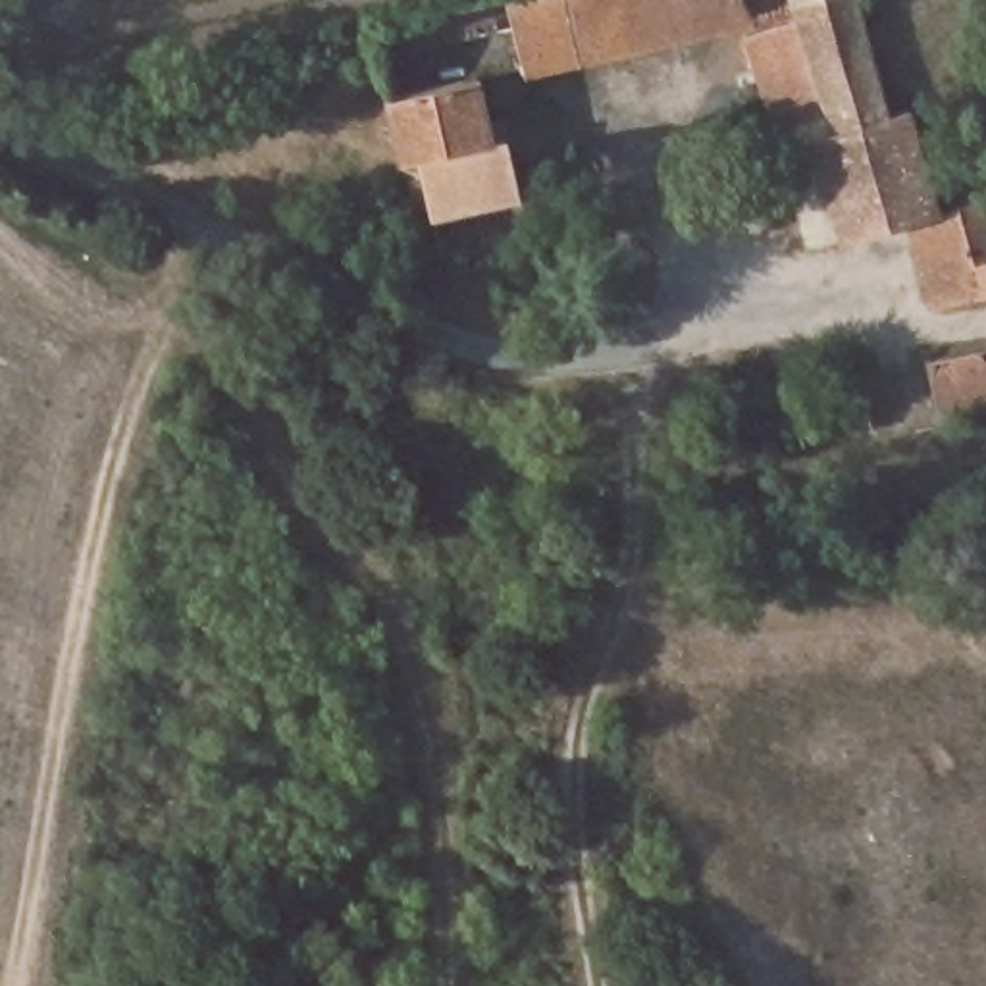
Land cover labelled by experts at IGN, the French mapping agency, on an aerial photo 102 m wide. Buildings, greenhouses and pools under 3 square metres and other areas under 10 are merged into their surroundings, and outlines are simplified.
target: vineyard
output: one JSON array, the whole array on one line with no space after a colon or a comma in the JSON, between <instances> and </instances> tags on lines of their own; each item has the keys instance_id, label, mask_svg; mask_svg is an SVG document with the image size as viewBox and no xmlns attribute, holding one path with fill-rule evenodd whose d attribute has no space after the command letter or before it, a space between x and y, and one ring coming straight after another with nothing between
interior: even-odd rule
<instances>
[{"instance_id":1,"label":"vineyard","mask_svg":"<svg viewBox=\"0 0 986 986\"><path fill-rule=\"evenodd\" d=\"M216 35L235 31L243 23L266 23L266 31L277 39L285 54L304 54L308 35L327 23L324 8L354 8L381 0L0 0L0 73L15 69L65 85L127 85L127 58L139 46L162 39L162 31L185 35L193 42L212 42Z\"/></svg>"}]
</instances>

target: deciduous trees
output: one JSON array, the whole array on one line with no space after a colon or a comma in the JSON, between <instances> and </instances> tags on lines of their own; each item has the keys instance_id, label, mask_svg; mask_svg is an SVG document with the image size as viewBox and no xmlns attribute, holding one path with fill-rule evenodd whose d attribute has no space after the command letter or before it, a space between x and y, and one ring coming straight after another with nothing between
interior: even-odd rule
<instances>
[{"instance_id":1,"label":"deciduous trees","mask_svg":"<svg viewBox=\"0 0 986 986\"><path fill-rule=\"evenodd\" d=\"M932 89L917 96L905 116L913 119L921 139L917 189L936 193L936 212L944 220L963 220L971 258L986 262L986 0L913 0L913 27L921 54L932 69Z\"/></svg>"},{"instance_id":2,"label":"deciduous trees","mask_svg":"<svg viewBox=\"0 0 986 986\"><path fill-rule=\"evenodd\" d=\"M678 239L693 243L709 231L720 231L724 239L747 235L751 220L790 227L797 223L801 208L820 208L832 204L843 189L836 127L817 104L763 100L751 89L743 100L728 108L697 112L686 123L666 123L670 139L662 143L655 162L662 216L670 220Z\"/></svg>"},{"instance_id":3,"label":"deciduous trees","mask_svg":"<svg viewBox=\"0 0 986 986\"><path fill-rule=\"evenodd\" d=\"M470 69L443 69L439 85L481 85L489 73L516 73L512 39L505 27L497 19L478 19L466 23L466 39L485 42L485 54Z\"/></svg>"},{"instance_id":4,"label":"deciduous trees","mask_svg":"<svg viewBox=\"0 0 986 986\"><path fill-rule=\"evenodd\" d=\"M520 208L470 216L454 223L431 223L420 185L393 166L358 169L347 177L270 169L266 177L166 181L154 173L158 162L216 158L247 150L258 139L293 131L300 123L297 100L304 85L327 73L339 77L343 62L358 54L354 8L324 8L327 23L308 35L304 54L285 54L277 39L266 31L266 23L243 23L235 31L216 35L212 42L193 42L185 35L162 31L162 39L139 46L127 58L127 85L65 85L15 69L0 73L0 223L31 247L54 254L65 270L89 277L96 289L104 289L108 300L127 304L139 297L146 308L169 316L181 327L173 358L166 362L166 377L150 393L150 404L131 443L131 462L116 493L108 558L92 605L81 693L73 709L69 759L50 847L50 901L42 932L50 936L54 978L46 986L243 986L250 971L250 944L258 936L273 936L273 924L258 917L262 867L281 867L297 886L308 882L320 894L320 905L343 913L343 921L331 932L308 928L289 947L289 959L312 967L320 986L582 986L582 971L566 955L566 882L582 882L582 851L593 851L597 886L605 890L605 909L585 928L585 936L593 951L593 971L609 978L609 986L728 986L736 971L709 936L709 928L682 921L678 913L686 901L709 897L705 859L720 847L724 828L705 817L682 817L655 786L651 743L666 728L682 728L693 720L689 697L659 678L659 632L666 624L689 628L705 620L736 636L751 636L759 632L766 605L782 605L790 612L824 612L894 605L897 612L909 612L924 624L963 624L967 636L986 632L986 339L928 343L897 320L878 320L828 327L813 339L751 347L724 362L670 358L655 374L578 377L566 389L528 385L532 374L539 374L543 366L558 366L574 354L593 354L597 347L609 347L609 331L620 320L643 320L651 312L651 297L632 243L601 231L609 189L597 177L582 173L574 146L562 146L547 162L539 162L520 189Z\"/></svg>"}]
</instances>

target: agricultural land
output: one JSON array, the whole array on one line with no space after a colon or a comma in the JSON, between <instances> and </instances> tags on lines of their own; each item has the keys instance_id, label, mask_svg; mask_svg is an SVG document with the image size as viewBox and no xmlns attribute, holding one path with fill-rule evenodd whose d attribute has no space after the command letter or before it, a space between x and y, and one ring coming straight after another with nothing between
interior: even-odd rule
<instances>
[{"instance_id":1,"label":"agricultural land","mask_svg":"<svg viewBox=\"0 0 986 986\"><path fill-rule=\"evenodd\" d=\"M181 327L169 316L146 308L139 297L127 304L108 300L104 289L96 289L89 277L65 270L54 254L31 247L0 223L0 986L46 986L54 978L50 936L42 932L50 901L50 847L69 759L73 709L81 693L92 605L108 558L116 493L131 462L131 443L150 404L150 393L166 377L166 362L173 358Z\"/></svg>"}]
</instances>

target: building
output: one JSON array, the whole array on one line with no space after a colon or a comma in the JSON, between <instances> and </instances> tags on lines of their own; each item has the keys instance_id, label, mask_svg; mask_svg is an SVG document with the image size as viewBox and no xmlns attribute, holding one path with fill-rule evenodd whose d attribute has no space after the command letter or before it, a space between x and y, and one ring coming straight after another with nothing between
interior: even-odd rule
<instances>
[{"instance_id":1,"label":"building","mask_svg":"<svg viewBox=\"0 0 986 986\"><path fill-rule=\"evenodd\" d=\"M905 231L917 289L928 308L944 316L986 312L986 262L971 258L963 220L944 220L936 212L936 193L917 189L921 139L913 119L905 116L890 116L874 69L867 12L874 8L874 0L528 0L508 4L505 27L512 39L516 73L555 77L620 58L686 62L697 69L713 54L740 50L743 69L736 85L751 89L763 100L817 104L836 127L843 189L832 204L820 208L832 220L836 239L882 243L894 231Z\"/></svg>"},{"instance_id":2,"label":"building","mask_svg":"<svg viewBox=\"0 0 986 986\"><path fill-rule=\"evenodd\" d=\"M454 223L470 216L520 208L520 189L508 146L493 143L481 85L439 85L431 92L397 100L385 104L374 119L389 131L393 166L420 185L431 223Z\"/></svg>"}]
</instances>

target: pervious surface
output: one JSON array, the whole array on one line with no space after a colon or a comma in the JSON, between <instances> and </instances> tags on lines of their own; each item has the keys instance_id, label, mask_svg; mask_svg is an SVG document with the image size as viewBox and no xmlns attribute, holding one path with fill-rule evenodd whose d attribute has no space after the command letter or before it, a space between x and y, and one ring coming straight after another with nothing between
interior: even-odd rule
<instances>
[{"instance_id":1,"label":"pervious surface","mask_svg":"<svg viewBox=\"0 0 986 986\"><path fill-rule=\"evenodd\" d=\"M443 69L470 69L485 54L485 42L466 39L466 23L478 19L454 15L439 31L389 42L385 73L397 100L431 92L439 85Z\"/></svg>"},{"instance_id":2,"label":"pervious surface","mask_svg":"<svg viewBox=\"0 0 986 986\"><path fill-rule=\"evenodd\" d=\"M986 312L944 316L928 308L917 289L905 231L894 231L882 243L836 239L832 220L820 208L801 208L797 223L790 227L751 220L747 235L724 239L720 231L709 231L693 243L678 239L670 220L662 216L655 162L662 143L670 139L666 123L686 123L697 112L728 108L743 100L751 89L736 85L743 69L740 50L713 54L697 69L686 62L620 58L555 77L516 73L489 73L481 85L493 143L508 146L520 189L539 162L547 162L562 146L574 146L582 173L597 177L609 189L601 231L632 243L651 297L651 312L643 320L620 320L609 331L609 347L597 347L593 354L574 354L558 366L543 366L539 374L532 374L528 385L566 389L578 377L655 374L670 358L724 362L751 347L813 339L828 327L878 320L897 320L928 343L986 339Z\"/></svg>"},{"instance_id":3,"label":"pervious surface","mask_svg":"<svg viewBox=\"0 0 986 986\"><path fill-rule=\"evenodd\" d=\"M609 978L593 971L593 951L585 936L585 928L605 909L605 890L597 886L593 851L582 851L582 882L566 882L566 955L582 971L582 986L609 986Z\"/></svg>"},{"instance_id":4,"label":"pervious surface","mask_svg":"<svg viewBox=\"0 0 986 986\"><path fill-rule=\"evenodd\" d=\"M247 150L216 158L158 162L154 173L166 181L266 177L270 169L347 177L358 169L393 166L389 131L374 119L385 104L374 96L374 89L354 89L339 77L327 73L304 85L297 100L300 123L293 131L258 139Z\"/></svg>"}]
</instances>

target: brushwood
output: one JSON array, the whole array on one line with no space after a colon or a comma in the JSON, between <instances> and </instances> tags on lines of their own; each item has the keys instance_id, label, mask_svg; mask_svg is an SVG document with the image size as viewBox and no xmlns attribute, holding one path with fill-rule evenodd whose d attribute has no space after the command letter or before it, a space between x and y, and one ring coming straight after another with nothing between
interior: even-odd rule
<instances>
[{"instance_id":1,"label":"brushwood","mask_svg":"<svg viewBox=\"0 0 986 986\"><path fill-rule=\"evenodd\" d=\"M439 31L454 15L478 19L497 19L505 27L508 4L528 0L381 0L354 8L358 54L343 62L339 77L354 89L374 89L374 96L385 104L397 100L385 73L389 42Z\"/></svg>"}]
</instances>

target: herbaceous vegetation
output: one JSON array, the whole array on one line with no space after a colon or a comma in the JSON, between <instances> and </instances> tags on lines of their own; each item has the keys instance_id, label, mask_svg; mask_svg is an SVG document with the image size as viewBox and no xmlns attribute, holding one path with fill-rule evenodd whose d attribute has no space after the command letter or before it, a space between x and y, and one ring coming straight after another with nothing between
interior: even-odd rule
<instances>
[{"instance_id":1,"label":"herbaceous vegetation","mask_svg":"<svg viewBox=\"0 0 986 986\"><path fill-rule=\"evenodd\" d=\"M682 728L666 728L651 743L655 786L682 817L705 817L724 828L720 847L705 859L709 897L686 901L678 913L682 921L709 928L709 936L736 971L728 986L986 986L986 632L967 636L963 624L924 624L909 612L897 612L894 605L824 612L790 612L782 605L766 605L759 632L751 636L736 636L705 620L689 628L666 624L659 632L659 678L689 697L693 720Z\"/></svg>"},{"instance_id":2,"label":"herbaceous vegetation","mask_svg":"<svg viewBox=\"0 0 986 986\"><path fill-rule=\"evenodd\" d=\"M867 12L874 69L890 116L905 116L917 96L932 89L932 69L921 54L913 27L913 0L874 0L874 8Z\"/></svg>"},{"instance_id":3,"label":"herbaceous vegetation","mask_svg":"<svg viewBox=\"0 0 986 986\"><path fill-rule=\"evenodd\" d=\"M308 928L331 932L343 921L343 913L320 905L320 894L308 882L297 886L281 867L262 867L258 917L273 924L273 936L258 936L250 944L250 971L243 986L320 986L312 967L289 959L289 947Z\"/></svg>"}]
</instances>

